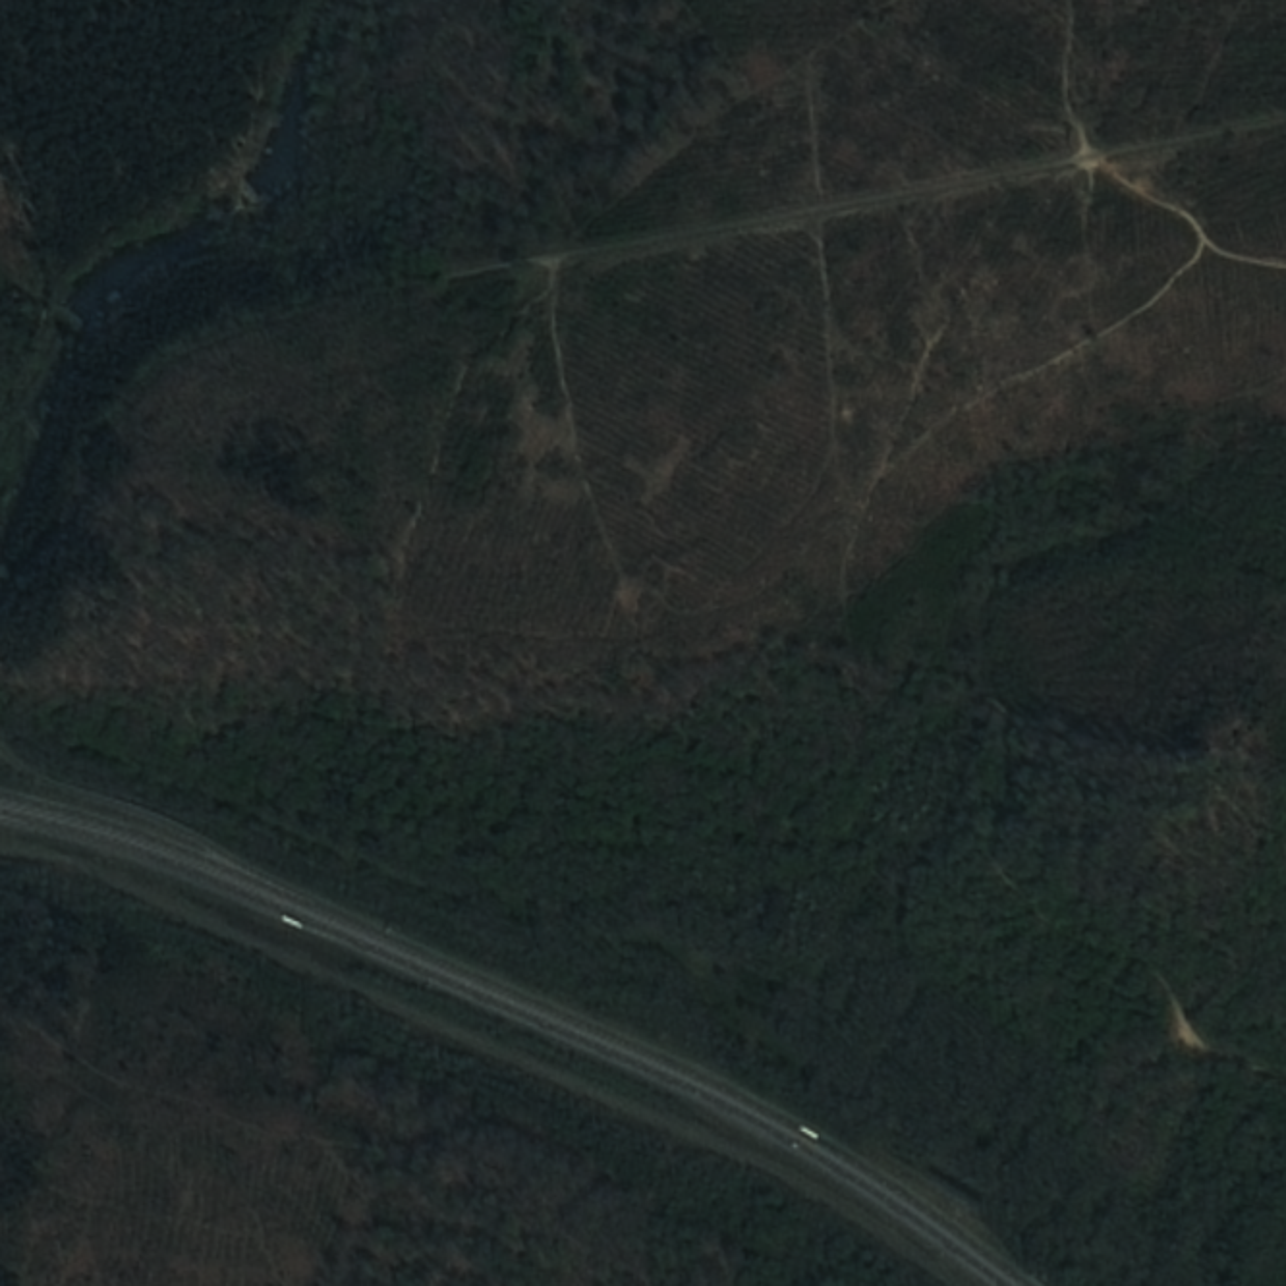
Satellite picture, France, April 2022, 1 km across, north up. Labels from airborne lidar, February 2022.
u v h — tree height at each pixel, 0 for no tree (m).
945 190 0
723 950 20
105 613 20
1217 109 7
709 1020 19
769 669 23
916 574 5
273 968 9
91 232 32
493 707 24
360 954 0
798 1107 7
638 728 27
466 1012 9
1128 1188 25
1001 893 24
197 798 18
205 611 22
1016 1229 11
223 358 13
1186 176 8
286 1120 0
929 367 0
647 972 17
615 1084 7
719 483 9
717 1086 0
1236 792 27
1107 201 7
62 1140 10
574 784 26
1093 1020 24
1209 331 0
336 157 15
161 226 18
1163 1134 23
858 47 0
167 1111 7
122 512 25
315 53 15
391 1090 24
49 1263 7
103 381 18
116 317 26
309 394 14
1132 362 0
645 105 28
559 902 29
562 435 0
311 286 20
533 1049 7
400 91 26
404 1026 8
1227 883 31
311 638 25
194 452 11
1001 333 0
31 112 35
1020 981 29
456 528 6
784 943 24
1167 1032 15
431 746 30
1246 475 7
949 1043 26
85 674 22
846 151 0
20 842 0
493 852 24
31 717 23
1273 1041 27
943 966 24
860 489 0
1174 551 6
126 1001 0
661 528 8
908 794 23
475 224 26
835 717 28
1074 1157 27
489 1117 12
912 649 11
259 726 29
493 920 26
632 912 25
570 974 17
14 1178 18
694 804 27
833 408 0
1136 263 0
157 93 27
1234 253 0
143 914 10
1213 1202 30
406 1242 18
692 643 5
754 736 19
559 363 0
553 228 29
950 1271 0
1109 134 10
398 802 21
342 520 13
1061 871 30
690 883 23
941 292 0
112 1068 0
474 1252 27
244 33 25
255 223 15
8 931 20
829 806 26
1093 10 0
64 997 27
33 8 33
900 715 25
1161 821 27
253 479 19
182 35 20
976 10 7
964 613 6
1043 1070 28
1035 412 0
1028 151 8
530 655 7
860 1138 7
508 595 7
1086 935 18
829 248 7
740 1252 28
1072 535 13
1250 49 7
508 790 27
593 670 7
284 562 25
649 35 27
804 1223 17
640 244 0
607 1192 27
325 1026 10
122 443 13
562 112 26
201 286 17
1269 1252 22
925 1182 0
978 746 18
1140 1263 22
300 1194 0
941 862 25
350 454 14
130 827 0
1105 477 29
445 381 11
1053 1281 15
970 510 8
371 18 27
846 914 9
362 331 14
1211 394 0
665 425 0
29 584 32
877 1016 23
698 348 0
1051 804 25
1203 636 0
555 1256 26
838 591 0
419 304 14
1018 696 7
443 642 6
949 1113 20
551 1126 13
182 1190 0
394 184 23
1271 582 10
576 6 26
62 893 13
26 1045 12
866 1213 0
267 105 16
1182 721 7
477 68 22
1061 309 0
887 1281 23
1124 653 6
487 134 29
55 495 19
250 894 0
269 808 25
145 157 27
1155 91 10
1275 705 6
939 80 0
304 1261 0
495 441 7
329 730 21
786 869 25
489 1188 27
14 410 23
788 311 6
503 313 6
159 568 24
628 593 0
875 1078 21
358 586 19
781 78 0
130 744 21
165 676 27
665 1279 29
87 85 24
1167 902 32
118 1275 7
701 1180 10
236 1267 0
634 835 9
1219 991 28
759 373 6
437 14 25
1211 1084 24
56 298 22
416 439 11
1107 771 31
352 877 14
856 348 0
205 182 21
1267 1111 23
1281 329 0
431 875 24
